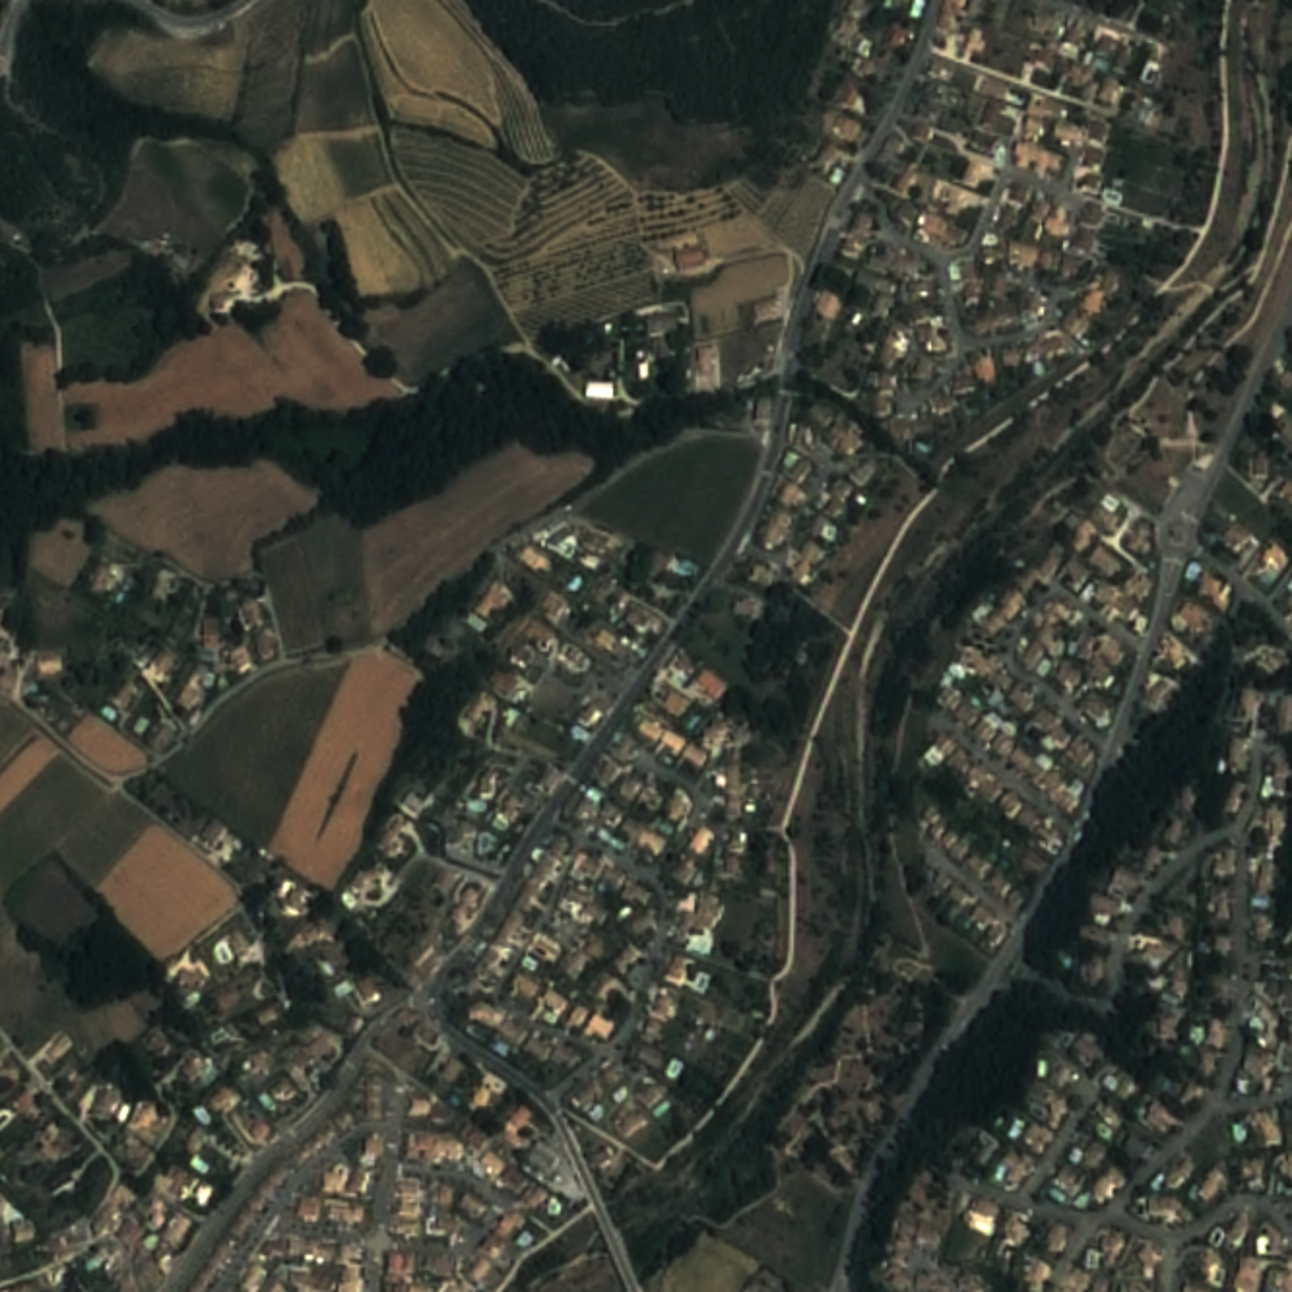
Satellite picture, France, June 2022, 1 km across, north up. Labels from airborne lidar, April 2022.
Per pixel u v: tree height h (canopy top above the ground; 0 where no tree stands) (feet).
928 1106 44
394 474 72
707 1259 0
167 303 49
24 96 19
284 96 0
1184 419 0
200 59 0
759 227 0
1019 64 0
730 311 0
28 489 94
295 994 42
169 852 0
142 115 32
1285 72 27
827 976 19
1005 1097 42
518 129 0
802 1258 0
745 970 62
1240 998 0
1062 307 23
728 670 0
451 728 46
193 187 0
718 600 44
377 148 0
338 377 0
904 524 0
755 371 0
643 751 0
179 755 0
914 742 0
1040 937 45
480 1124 35
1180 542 0
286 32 0
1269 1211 0
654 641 22
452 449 68
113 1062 55
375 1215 0
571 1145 0
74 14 34
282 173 0
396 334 0
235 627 30
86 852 0
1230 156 0
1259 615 41
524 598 29
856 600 0
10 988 0
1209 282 0
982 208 0
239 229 27
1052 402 22
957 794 18
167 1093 30
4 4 42
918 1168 47
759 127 18
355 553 0
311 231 0
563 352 110
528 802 0
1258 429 45
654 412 54
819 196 0
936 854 0
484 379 65
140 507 0
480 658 33
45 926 0
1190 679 46
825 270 45
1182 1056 19
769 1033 20
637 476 0
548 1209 0
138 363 31
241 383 0
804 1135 0
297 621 0
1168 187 0
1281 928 42
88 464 82
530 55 38
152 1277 0
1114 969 0
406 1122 0
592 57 30
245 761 0
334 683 0
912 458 19
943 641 0
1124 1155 39
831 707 0
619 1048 18
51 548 0
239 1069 28
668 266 0
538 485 0
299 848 0
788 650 44
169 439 80
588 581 23
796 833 42
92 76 29
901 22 36
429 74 0
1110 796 47
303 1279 0
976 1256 0
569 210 0
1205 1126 0
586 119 0
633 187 0
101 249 35
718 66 24
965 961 0
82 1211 17
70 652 23
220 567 0
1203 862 0
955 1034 0
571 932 0
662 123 0
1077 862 35
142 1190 38
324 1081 35
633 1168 32
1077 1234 0
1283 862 44
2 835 0
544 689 0
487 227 0
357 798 0
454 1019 27
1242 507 0
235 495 0
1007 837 33
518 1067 24
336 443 0
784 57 25
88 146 26
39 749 0
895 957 0
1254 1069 0
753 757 37
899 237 0
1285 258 0
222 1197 34
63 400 0
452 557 0
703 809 0
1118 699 19
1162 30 29
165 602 31
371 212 0
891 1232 39
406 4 0
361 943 42
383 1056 0
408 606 0
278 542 30
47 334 30
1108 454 0
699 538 0
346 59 0
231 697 0
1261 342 0
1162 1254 0
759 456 0
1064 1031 34
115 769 0
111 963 55
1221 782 53
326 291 50
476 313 0
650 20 36
